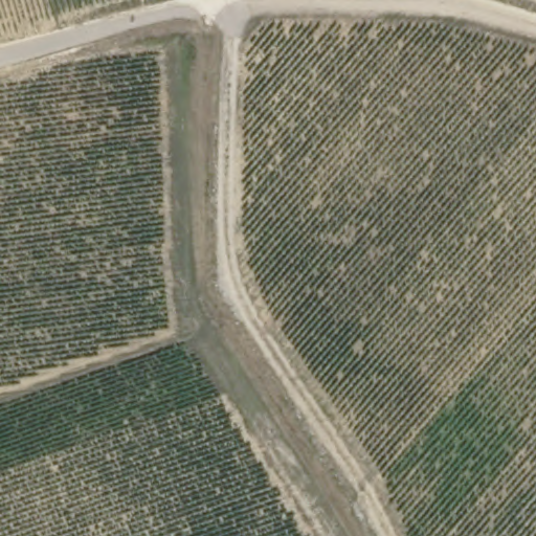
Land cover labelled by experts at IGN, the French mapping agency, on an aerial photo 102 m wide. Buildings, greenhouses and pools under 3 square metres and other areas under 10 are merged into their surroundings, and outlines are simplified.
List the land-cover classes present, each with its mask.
<instances>
[{"label":"vineyard","instance_id":"1","mask_svg":"<svg viewBox=\"0 0 536 536\"><path fill-rule=\"evenodd\" d=\"M168 0H0V42H13L40 31L63 29L67 25H82L86 21L101 19L113 13L159 4ZM494 2H503V4H509V6H517V8H523V10L536 13V0H494ZM320 25L316 21L308 25H293L289 36L283 34V23H268L260 31V36H253L249 40L251 46L245 52V67L253 73V80H239L237 124L243 132L245 157L241 197V228L245 245L249 251V268L255 274V281L260 285L262 297L270 314L283 322V333L306 360L312 375L333 398L341 415L352 410L356 412V438L373 456L379 471L385 477L387 486V494L379 500L394 530L400 536H536V38L486 25L479 21L442 15L379 13L364 17L362 23L352 25L350 36H339V23L333 21L320 40H314V31ZM161 140V130L157 54L140 52L98 57L90 61H67L54 65L48 71H40L34 80L0 82V536H304L299 534L293 521V513L287 511L278 500V488H274L268 482L266 471L251 452V446L241 438L239 429L230 423V417L222 406L216 385L207 377H203V360L197 354H186L180 343H168L176 335V331L168 327L165 283L163 274L159 272L163 243V176L161 155L157 149Z\"/></svg>","mask_w":536,"mask_h":536},{"label":"herbaceous vegetation","instance_id":"2","mask_svg":"<svg viewBox=\"0 0 536 536\"><path fill-rule=\"evenodd\" d=\"M316 21L320 25L314 31V40H320L333 21L339 23V36H350L352 25L362 23L364 17L362 13L255 15L247 21L239 44V80H253V73L245 67V52L251 46L249 40L253 36H260V31L268 23H283V34L289 36L293 25H308ZM140 52L157 54L161 130V140L157 149L161 155L163 176V243L159 272L163 274L165 283L168 327L176 331V335L168 343H180L186 354H197L203 360V377H207L216 385L222 406L230 417V423L239 429L241 438L251 446V452L266 471L268 482L274 488H278V500L287 511L293 513V521L299 534L304 536H377L369 519L360 521L356 517L354 505L358 496L354 492V486L345 479L329 450L318 444L304 415L297 410L285 385L264 358L262 350L245 329L243 320L235 316L232 306L224 299L218 287L216 163L224 34L218 25L205 23V15H199L195 19L178 17L157 21L113 36H105L82 46L75 44L61 50H50L15 63L8 75L0 69V82L34 80L40 71H48L54 65L67 61H90L98 57ZM237 264L245 291L258 310V316L253 318L255 329L260 333H270L276 339V343L293 364L295 373L320 406L322 415L331 421L337 436L343 440L354 459L362 465L366 479L371 482L379 471L373 456L356 438V412L352 410L341 415L333 398L312 375L306 360L283 333V322L270 314L262 297L260 285L255 281V274L249 268V251L245 245L237 251Z\"/></svg>","mask_w":536,"mask_h":536},{"label":"pervious surface","instance_id":"3","mask_svg":"<svg viewBox=\"0 0 536 536\"><path fill-rule=\"evenodd\" d=\"M180 6H193L199 15H205V23L218 25L224 34L216 163L218 287L224 299L232 306L235 316L243 320L245 329L262 350L264 358L285 385L297 410L304 415L318 444L329 450L345 479L354 486V492L358 496L354 505L356 517L360 521L369 519L377 536H400L394 530L379 500L387 494V486L385 477L379 471L371 482L366 479L362 465L354 459L343 440L337 436L331 421L322 415L320 406L295 373L293 364L276 343V339L270 333H260L255 329L253 318L258 316V310L245 291L237 264V251L245 245L241 228V197L245 157L243 132L237 124L239 80V44L247 21L255 15L362 13L364 17L379 13L442 15L479 21L486 25L536 38V13L523 10V8H517V6H509V4H503V2H494V0H178Z\"/></svg>","mask_w":536,"mask_h":536},{"label":"impervious surface","instance_id":"4","mask_svg":"<svg viewBox=\"0 0 536 536\"><path fill-rule=\"evenodd\" d=\"M178 17L195 19L199 15L193 6H180L178 0H168L159 4L113 13L101 19L86 21L82 25H67L63 29L40 31L13 42H0V69L8 75L15 63L50 50H61L75 44L82 46L105 36H113L157 21Z\"/></svg>","mask_w":536,"mask_h":536}]
</instances>
